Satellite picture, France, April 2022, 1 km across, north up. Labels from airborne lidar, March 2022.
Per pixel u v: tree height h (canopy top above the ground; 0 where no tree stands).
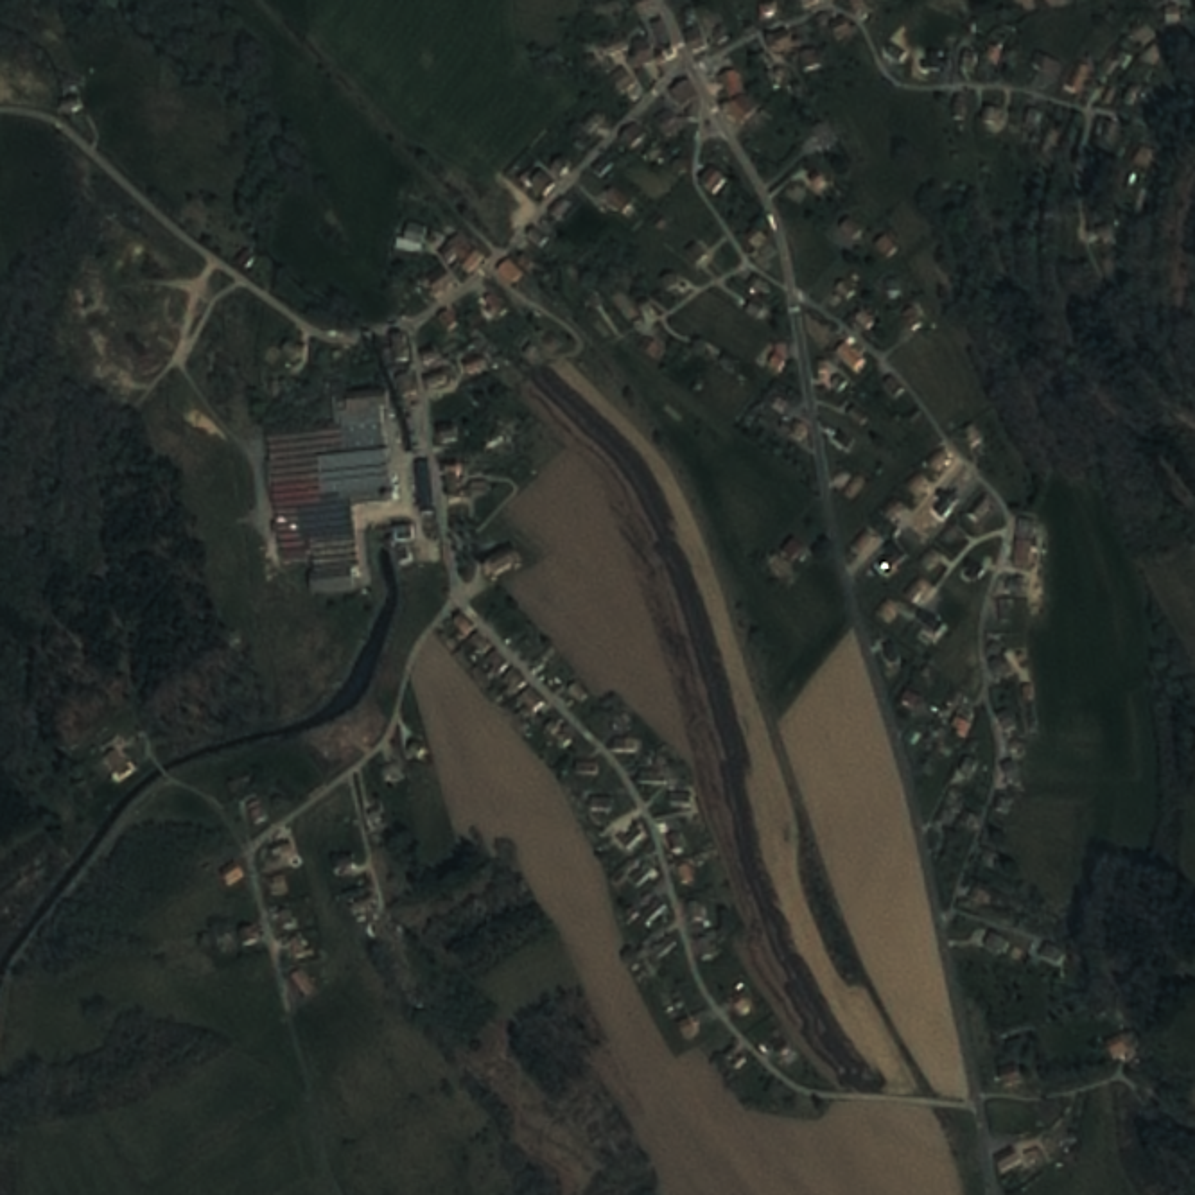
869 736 0
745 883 0
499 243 0
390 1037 0
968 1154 0
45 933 12
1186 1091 6
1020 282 11
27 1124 16
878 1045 0
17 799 17
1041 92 0
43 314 19
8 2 6
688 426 0
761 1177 0
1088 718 0
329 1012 0
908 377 0
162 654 12
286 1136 0
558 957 0
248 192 13
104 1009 19
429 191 0
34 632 11
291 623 0
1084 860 0
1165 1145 25
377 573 0
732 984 0
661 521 0
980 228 14
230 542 0
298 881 0
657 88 0
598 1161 0
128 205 7
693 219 0
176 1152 0
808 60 0
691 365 0
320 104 0
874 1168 0
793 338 0
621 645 0
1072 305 8
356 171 0
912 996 0
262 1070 0
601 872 0
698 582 0
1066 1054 0
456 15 0
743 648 0
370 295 0
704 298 0
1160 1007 18
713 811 0
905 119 0
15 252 0
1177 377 17
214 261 0
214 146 0
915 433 0
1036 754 0
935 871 0
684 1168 0
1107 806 0
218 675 16
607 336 0
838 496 0
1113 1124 0
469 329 6
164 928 0
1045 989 0
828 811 0
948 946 0
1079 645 0
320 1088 0
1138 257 19
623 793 0
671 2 14
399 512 0
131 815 0
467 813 0
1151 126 12
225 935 16
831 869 0
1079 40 0
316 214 0
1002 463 0
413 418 0
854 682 0
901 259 0
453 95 0
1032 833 0
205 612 9
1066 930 6
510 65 0
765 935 0
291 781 0
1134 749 0
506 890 10
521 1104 0
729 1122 0
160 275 0
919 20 0
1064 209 15
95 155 0
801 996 0
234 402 0
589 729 0
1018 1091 0
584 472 0
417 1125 0
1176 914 28
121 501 9
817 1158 0
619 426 0
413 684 0
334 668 0
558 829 0
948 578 0
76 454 18
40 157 0
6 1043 0
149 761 0
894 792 0
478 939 11
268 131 16
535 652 0
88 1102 7
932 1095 0
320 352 6
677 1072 0
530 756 0
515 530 0
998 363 20
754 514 0
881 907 0
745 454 0
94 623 6
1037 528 0
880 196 0
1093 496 0
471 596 0
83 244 10
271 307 0
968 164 0
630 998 0
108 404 19
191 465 0
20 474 21
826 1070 0
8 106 0
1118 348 29
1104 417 34
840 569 0
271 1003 0
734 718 0
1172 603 0
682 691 0
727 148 0
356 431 0
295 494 0
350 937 0
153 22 22
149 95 0
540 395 0
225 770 0
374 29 0
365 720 0
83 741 0
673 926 0
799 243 0
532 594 0
